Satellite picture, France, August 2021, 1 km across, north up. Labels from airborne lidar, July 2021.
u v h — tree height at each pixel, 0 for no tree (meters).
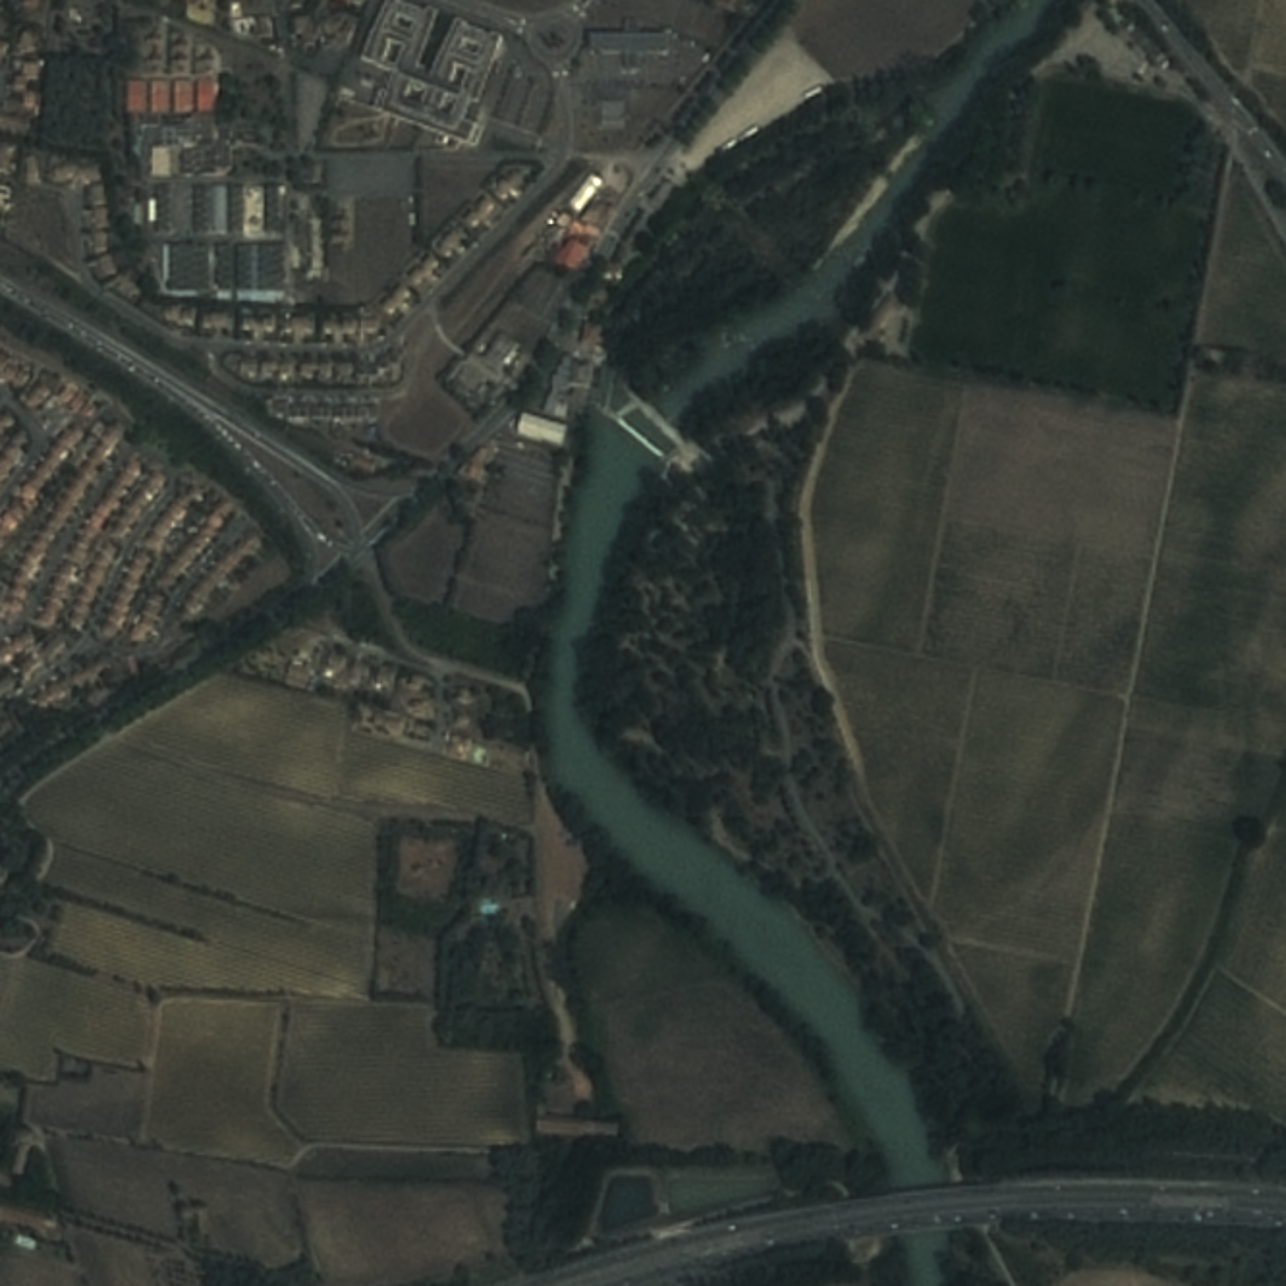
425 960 0
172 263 0
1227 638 0
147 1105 0
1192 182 15
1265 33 0
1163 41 11
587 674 10
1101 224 0
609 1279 0
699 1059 0
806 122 16
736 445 14
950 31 0
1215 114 0
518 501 0
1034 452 0
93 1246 0
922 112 15
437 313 0
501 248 0
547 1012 8
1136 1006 0
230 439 0
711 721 16
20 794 9
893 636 0
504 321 0
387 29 0
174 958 0
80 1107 0
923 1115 13
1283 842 0
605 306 8
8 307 9
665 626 12
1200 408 0
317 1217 0
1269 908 0
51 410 0
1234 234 0
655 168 0
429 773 0
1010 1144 13
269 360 7
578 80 0
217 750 0
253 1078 0
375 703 10
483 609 0
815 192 9
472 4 0
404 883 0
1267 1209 0
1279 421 0
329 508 6
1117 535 0
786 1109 0
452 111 0
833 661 0
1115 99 0
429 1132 0
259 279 0
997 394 0
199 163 0
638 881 11
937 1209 0
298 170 13
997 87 19
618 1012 0
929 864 0
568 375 0
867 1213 0
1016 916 0
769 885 14
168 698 14
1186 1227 7
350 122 0
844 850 10
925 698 0
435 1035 6
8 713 9
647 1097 0
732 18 9
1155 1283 0
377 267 0
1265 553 0
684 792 21
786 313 0
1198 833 0
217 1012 0
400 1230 0
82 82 11
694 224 20
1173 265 0
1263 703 0
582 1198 16
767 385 14
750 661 16
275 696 0
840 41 0
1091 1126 19
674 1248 0
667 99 0
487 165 0
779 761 7
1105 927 0
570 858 0
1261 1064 0
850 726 0
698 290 11
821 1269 18
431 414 0
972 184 20
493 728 8
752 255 7
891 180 0
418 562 0
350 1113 0
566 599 11
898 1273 18
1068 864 0
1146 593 0
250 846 0
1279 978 0
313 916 0
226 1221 0
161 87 0
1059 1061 13
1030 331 0
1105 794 0
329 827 0
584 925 9
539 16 0
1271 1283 14
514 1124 0
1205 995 0
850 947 18
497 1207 0
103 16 7
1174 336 0
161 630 0
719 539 14
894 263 14
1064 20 18
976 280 0
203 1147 0
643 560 15
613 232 0
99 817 0
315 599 19
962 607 0
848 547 0
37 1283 0
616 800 0
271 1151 0
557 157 0
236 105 9
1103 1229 9
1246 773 0
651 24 0
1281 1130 8
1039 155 0
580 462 9
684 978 0
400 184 0
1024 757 0
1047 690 0
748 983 11
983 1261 15
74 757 9
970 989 0
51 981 0
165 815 0
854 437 0
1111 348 0
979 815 0
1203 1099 0
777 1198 10
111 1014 0
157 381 0
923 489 0
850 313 22
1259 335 0
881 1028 20
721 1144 0
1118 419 0
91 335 0
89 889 0
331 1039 0
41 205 0
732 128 0
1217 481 0
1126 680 0
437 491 15
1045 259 0
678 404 0
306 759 0
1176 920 0
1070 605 0
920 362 19
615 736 19
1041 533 0
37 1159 16
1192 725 0
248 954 0
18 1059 0
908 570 0
